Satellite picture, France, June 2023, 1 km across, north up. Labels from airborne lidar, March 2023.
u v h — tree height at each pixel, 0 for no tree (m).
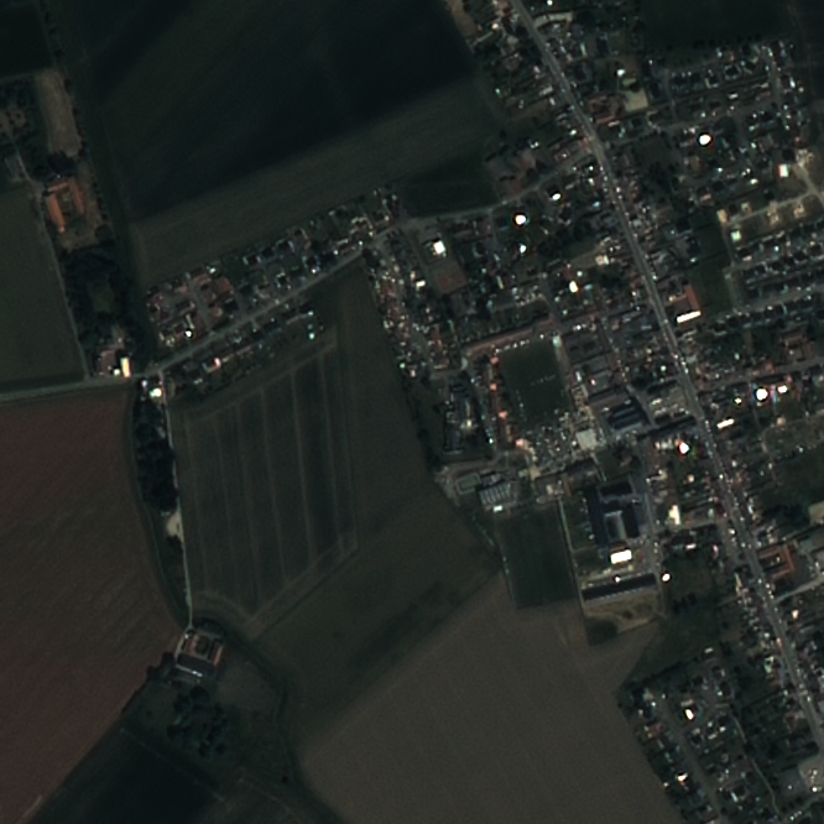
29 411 0
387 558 0
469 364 0
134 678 0
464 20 0
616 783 0
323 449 0
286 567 0
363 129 0
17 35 0
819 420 0
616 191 0
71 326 0
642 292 0
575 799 0
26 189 0
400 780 0
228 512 0
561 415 0
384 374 0
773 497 0
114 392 0
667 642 0
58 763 0
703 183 0
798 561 0
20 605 0
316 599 0
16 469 0
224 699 0
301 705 0
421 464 0
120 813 0
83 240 0
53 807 0
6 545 0
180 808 0
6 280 0
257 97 0
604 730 0
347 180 0
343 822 0
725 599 0
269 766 0
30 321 0
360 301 0
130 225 0
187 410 0
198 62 0
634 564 0
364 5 0
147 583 0
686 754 0
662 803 0
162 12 0
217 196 0
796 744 0
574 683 0
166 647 0
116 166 0
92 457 0
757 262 0
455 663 0
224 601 0
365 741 0
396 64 0
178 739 17
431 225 0
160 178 0
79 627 0
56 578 0
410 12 0
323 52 0
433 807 0
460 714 0
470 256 0
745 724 6
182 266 0
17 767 0
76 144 0
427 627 0
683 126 0
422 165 0
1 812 0
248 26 0
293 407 0
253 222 0
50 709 0
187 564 0
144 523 0
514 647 0
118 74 0
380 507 0
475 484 0
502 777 0
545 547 0
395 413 0
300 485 0
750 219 0
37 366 0
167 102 0
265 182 0
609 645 0
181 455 0
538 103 0
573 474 0
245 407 0
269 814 0
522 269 0
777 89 0
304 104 0
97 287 0
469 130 0
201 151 0
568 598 0
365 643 0
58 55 12
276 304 0
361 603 0
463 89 0
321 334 0
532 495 0
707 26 0
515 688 0
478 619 0
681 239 0
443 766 0
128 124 0
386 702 0
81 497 0
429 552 0
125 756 0
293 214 0
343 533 0
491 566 0
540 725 0
